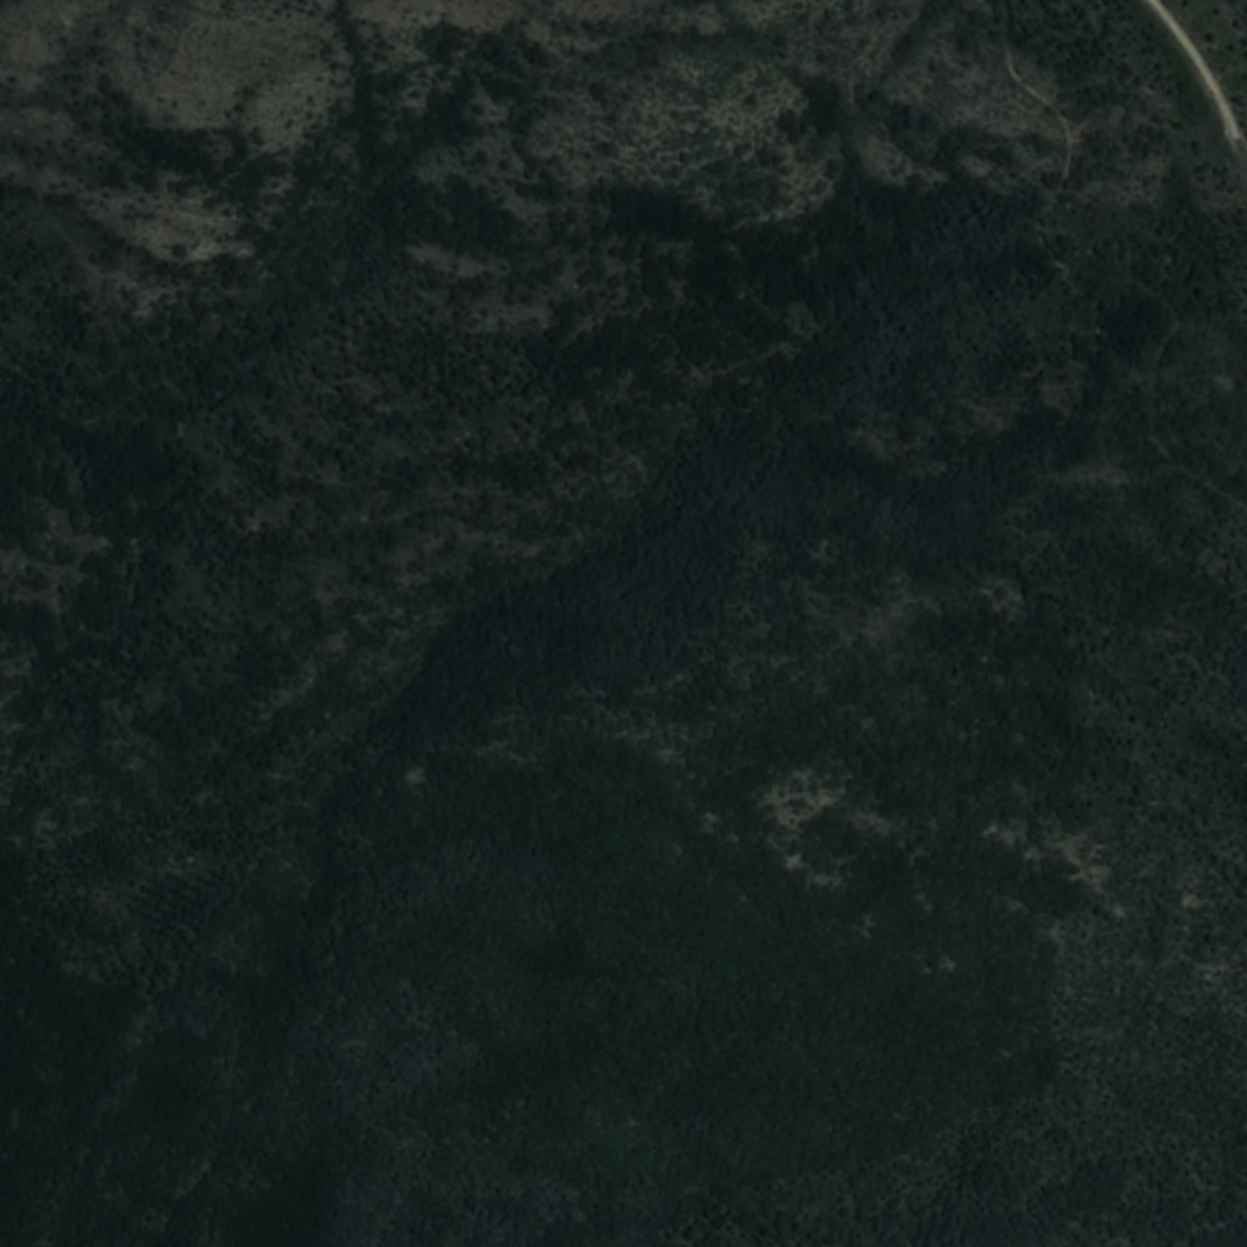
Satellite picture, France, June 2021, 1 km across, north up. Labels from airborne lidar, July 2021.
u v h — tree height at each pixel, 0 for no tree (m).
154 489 10
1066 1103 7
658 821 6
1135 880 7
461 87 7
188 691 9
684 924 8
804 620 6
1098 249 11
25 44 0
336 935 8
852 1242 8
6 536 7
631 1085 7
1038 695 6
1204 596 6
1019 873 7
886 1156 7
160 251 0
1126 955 6
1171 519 6
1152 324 13
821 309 12
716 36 6
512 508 7
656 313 9
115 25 0
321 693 10
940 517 9
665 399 11
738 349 7
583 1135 7
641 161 0
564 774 6
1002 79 0
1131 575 8
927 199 12
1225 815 6
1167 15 0
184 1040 10
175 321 7
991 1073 7
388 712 11
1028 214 8
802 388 11
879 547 6
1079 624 11
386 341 7
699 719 6
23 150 8
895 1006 7
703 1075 10
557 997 9
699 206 7
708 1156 8
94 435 10
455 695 7
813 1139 9
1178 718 7
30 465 8
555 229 7
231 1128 9
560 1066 9
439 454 8
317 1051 9
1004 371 9
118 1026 11
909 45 6
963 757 8
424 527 10
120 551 10
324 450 8
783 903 6
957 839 8
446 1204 11
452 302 6
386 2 0
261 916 7
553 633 7
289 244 6
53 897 8
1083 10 9
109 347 10
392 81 6
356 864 7
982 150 7
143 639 17
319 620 7
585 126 0
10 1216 9
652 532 9
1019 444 12
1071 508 6
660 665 6
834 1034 7
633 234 8
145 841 7
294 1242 11
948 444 9
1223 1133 8
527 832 9
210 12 0
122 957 10
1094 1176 8
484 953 10
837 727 6
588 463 7
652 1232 11
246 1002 11
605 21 6
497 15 0
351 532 6
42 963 8
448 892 7
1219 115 0
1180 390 7
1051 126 0
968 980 6
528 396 12
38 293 8
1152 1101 6
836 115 7
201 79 0
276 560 7
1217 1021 8
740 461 9
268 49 0
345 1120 9
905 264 7
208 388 9
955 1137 8
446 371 10
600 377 11
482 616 9
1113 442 6
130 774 8
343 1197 11
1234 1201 9
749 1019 7
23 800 6
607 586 9
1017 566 11
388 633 8
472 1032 9
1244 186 0
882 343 13
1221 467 7
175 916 12
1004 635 8
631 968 9
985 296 6
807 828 6
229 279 7
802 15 6
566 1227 9
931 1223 9
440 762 6
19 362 10
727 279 13
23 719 7
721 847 6
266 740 10
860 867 6
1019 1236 7
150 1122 9
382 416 6
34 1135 8
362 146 7
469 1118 8
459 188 7
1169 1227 8
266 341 7
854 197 11
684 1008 6
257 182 7
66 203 7
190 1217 9
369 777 7
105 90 6
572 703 6
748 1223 10
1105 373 14
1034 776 6
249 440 8
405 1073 14
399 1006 5
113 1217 8
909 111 15
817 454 12
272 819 6
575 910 7
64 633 7
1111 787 7
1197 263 8
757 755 8
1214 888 7
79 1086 12
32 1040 10
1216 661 8
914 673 6
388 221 9
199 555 8
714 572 9
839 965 8
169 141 9
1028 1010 7
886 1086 7
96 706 7
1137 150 8
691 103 0
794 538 8
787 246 11
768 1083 8
